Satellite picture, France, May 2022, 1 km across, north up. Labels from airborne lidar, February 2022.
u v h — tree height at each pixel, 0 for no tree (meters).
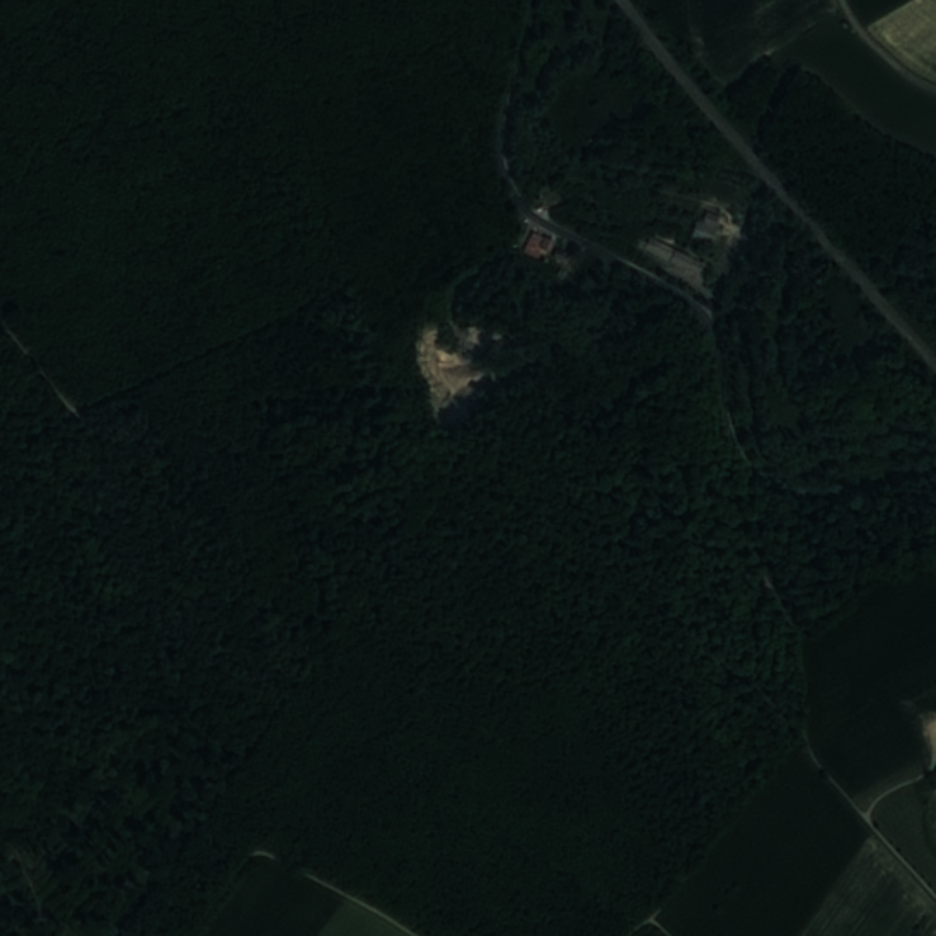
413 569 29
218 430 17
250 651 26
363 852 18
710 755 29
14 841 29
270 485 15
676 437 30
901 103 0
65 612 25
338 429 32
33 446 23
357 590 27
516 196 0
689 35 0
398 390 28
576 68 25
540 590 28
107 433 24
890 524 35
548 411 22
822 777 9
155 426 16
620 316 26
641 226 11
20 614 27
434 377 0
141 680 26
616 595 32
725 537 31
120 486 22
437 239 12
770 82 17
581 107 0
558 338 17
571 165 22
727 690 31
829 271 15
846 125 18
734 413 23
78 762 29
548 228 0
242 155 18
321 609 27
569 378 14
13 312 30
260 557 15
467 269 29
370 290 14
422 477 34
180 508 21
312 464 29
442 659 24
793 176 18
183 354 16
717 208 0
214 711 26
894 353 28
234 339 10
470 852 17
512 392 27
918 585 0
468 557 30
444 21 16
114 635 28
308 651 24
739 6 0
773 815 0
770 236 33
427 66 14
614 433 30
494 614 29
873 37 0
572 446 31
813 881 0
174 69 12
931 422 28
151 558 26
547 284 8
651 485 35
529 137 28
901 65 0
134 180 14
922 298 10
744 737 28
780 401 0
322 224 13
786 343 25
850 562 30
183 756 29
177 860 19
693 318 22
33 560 27
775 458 30
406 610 25
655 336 27
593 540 32
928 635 0
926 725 0
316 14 17
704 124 16
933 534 26
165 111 15
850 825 0
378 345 27
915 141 0
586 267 0
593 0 0
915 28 0
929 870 0
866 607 0
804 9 0
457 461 33
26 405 24
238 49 14
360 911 0
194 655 25
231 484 19
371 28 18
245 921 0
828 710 0
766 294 29
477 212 14
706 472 33
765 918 0
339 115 12
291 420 29
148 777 26
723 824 21
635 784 16
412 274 10
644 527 36
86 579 28
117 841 31
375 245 15
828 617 22
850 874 0
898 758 0
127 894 30
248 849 13
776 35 0
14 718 34
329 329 9
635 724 26
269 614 29
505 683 18
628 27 15
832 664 0
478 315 23
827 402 28
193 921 16
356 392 18
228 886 9
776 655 31
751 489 33
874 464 23
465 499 31
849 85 0
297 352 23
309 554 26
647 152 13
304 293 14
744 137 0
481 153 19
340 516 28
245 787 16
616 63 9
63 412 17
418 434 35
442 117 14
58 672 29
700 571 33
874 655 0
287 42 16
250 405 15
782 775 0
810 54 0
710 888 0
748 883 0
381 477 35
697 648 31
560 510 32
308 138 13
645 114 30
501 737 17
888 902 0
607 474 34
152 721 29
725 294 22
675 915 0
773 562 31
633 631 30
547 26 25
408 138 13
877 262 20
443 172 13
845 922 0
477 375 0
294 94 15
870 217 20
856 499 33
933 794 0
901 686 0
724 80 0
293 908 0
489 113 14
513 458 33
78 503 22
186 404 16
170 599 25
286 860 18
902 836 0
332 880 11
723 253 0
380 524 30
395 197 13
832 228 19
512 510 32
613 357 13
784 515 35
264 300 16
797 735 20
